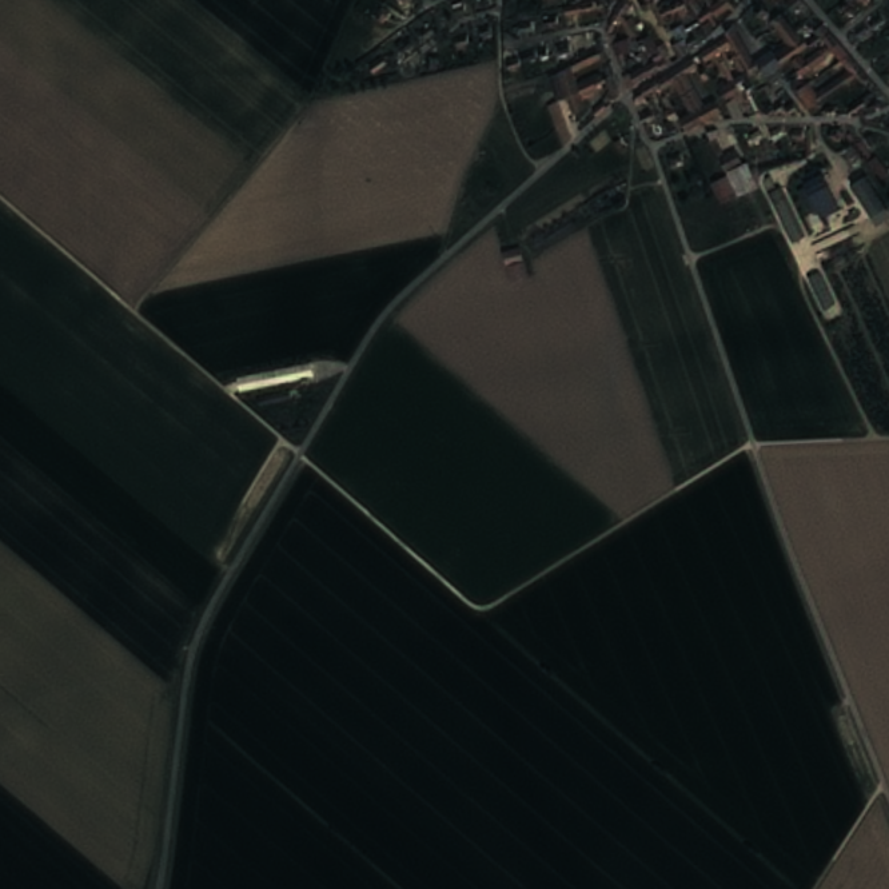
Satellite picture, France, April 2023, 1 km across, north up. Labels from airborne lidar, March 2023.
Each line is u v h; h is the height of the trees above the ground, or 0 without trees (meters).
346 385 0
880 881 0
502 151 0
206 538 0
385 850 0
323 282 0
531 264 0
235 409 0
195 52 0
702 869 0
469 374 0
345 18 0
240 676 0
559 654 0
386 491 0
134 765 0
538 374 0
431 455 0
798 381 0
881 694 0
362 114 0
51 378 0
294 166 0
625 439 0
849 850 0
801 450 0
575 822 0
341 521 0
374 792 0
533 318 0
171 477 0
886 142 0
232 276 0
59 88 0
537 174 0
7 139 0
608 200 6
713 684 0
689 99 0
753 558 0
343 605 0
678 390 0
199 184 0
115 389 0
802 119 0
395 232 0
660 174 0
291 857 0
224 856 0
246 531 0
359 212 0
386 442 0
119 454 0
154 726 0
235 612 0
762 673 0
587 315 0
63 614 0
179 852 0
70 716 0
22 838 0
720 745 0
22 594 0
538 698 0
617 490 0
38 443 0
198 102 0
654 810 0
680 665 0
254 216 0
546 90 0
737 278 0
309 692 0
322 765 0
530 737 0
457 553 0
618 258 0
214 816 0
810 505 0
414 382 0
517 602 0
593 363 0
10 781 0
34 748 0
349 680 0
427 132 0
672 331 0
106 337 0
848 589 0
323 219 0
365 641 0
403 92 0
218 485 0
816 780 0
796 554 0
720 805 0
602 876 0
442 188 0
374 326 0
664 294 0
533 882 0
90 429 0
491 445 0
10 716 0
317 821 0
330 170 0
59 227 0
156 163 0
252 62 0
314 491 0
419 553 0
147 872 0
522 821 0
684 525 0
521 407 0
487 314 0
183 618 0
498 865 0
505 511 0
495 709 0
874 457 0
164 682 0
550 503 0
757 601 0
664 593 0
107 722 0
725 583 0
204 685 0
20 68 0
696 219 0
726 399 0
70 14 0
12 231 0
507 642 0
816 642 0
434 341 0
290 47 0
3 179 0
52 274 0
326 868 0
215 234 0
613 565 0
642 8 11
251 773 0
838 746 0
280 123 0
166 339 0
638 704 0
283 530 0
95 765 0
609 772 0
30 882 0
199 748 0
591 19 0
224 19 0
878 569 0
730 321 0
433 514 0
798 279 0
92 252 0
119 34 0
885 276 0
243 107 0
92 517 0
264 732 0
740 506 0
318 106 0
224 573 0
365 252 0
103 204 0
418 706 0
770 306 0
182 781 0
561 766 0
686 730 0
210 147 0
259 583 0
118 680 0
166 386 0
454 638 0
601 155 0
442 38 9
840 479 0
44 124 0
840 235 0
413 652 0
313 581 0
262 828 0
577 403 0
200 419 0
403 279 0
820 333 0
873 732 0
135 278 0
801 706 0
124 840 0
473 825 0
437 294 0
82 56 0
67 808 0
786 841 0
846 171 0
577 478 0
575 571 0
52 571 0
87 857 0
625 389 0
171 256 0
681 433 0
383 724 0
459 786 0
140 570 0
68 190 0
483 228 0
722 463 0
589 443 0
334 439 0
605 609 0
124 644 0
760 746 0
